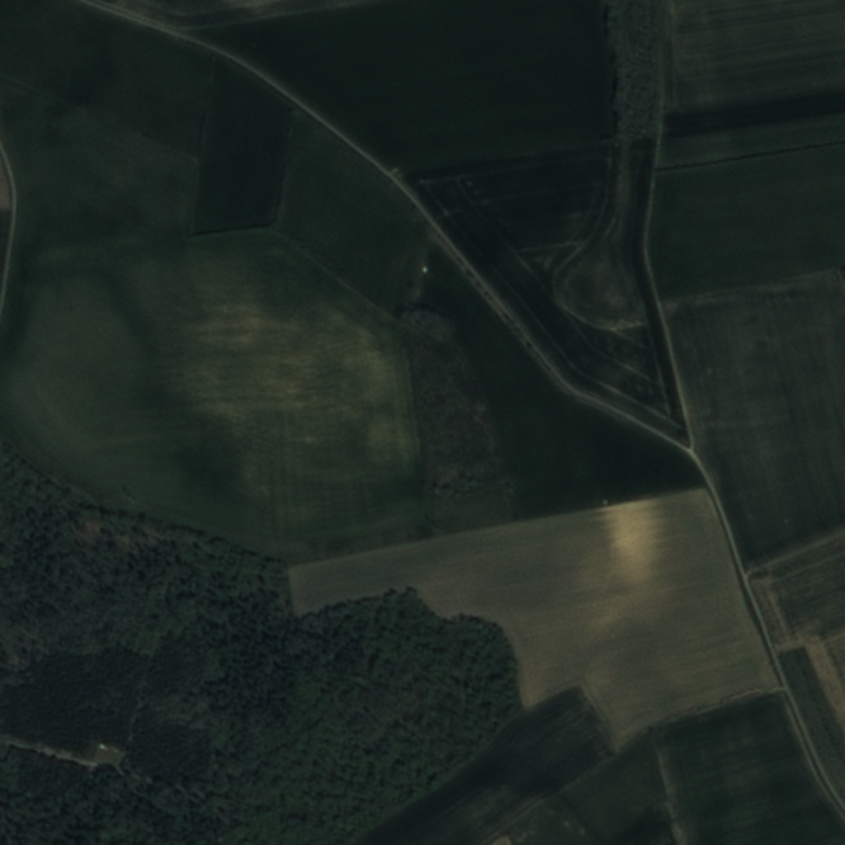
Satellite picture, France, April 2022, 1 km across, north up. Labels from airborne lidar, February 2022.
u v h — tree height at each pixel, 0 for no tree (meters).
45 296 0
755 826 0
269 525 0
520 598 0
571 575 0
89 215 0
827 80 0
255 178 0
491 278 0
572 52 0
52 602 16
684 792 0
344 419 0
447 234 0
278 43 0
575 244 0
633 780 0
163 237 0
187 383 0
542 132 0
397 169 0
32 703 11
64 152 0
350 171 0
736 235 0
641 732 0
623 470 0
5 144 0
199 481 0
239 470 0
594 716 0
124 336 0
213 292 0
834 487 0
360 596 0
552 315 0
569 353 0
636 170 0
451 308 0
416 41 0
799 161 0
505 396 0
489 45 0
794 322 0
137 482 0
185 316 0
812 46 0
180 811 20
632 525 0
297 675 17
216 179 0
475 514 0
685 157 0
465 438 0
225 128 0
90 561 22
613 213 0
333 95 0
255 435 0
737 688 0
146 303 0
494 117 0
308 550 0
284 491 0
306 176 0
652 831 0
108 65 0
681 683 0
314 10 0
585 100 0
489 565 0
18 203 0
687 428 0
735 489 0
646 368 0
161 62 0
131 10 0
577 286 0
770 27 0
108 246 0
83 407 0
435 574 0
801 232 0
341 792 25
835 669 0
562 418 0
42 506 14
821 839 0
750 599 0
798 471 0
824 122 0
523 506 0
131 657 13
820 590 0
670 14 0
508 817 0
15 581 19
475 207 0
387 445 0
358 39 0
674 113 0
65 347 0
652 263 0
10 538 20
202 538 13
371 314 0
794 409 0
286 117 0
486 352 0
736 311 0
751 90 0
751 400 0
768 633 0
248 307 0
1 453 19
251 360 0
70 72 0
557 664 0
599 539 0
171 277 0
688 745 0
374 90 0
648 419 0
